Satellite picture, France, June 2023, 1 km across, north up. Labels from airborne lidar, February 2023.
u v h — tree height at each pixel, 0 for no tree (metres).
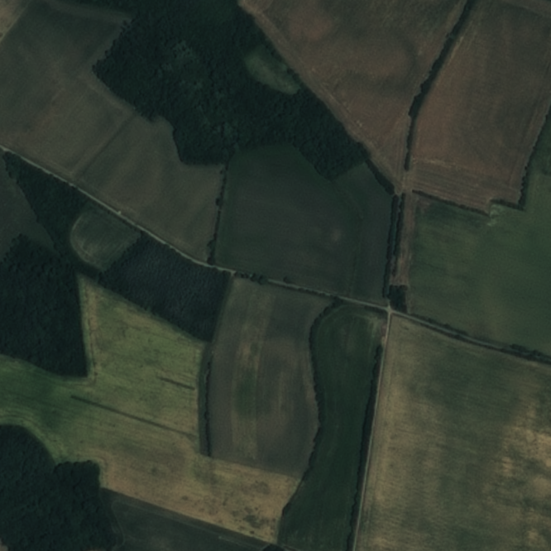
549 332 0
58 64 0
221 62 15
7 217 0
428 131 0
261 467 0
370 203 0
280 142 8
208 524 0
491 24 0
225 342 0
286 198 0
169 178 0
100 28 0
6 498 23
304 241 0
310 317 0
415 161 0
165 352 0
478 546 0
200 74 10
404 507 0
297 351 0
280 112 17
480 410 0
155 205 0
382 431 0
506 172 0
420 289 0
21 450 24
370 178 0
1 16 0
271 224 0
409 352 0
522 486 0
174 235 0
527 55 0
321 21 0
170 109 17
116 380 0
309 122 18
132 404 0
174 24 14
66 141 0
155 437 0
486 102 0
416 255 0
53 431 0
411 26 0
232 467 0
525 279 0
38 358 11
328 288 0
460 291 0
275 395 0
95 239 0
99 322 0
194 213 0
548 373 0
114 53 12
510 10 0
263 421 0
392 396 0
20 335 13
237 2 8
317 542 0
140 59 13
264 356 0
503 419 0
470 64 0
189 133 19
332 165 20
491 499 0
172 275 13
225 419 0
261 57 0
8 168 10
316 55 0
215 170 0
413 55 0
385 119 0
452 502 0
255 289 0
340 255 0
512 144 0
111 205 0
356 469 0
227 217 0
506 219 0
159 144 0
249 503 0
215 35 14
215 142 19
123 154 0
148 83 10
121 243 0
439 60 8
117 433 0
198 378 0
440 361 0
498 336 0
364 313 0
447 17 0
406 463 0
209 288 14
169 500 0
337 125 15
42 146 0
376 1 0
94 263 0
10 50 0
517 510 0
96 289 0
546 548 0
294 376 0
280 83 0
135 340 0
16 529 23
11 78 0
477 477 0
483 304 0
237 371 0
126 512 0
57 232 12
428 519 0
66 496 19
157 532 0
